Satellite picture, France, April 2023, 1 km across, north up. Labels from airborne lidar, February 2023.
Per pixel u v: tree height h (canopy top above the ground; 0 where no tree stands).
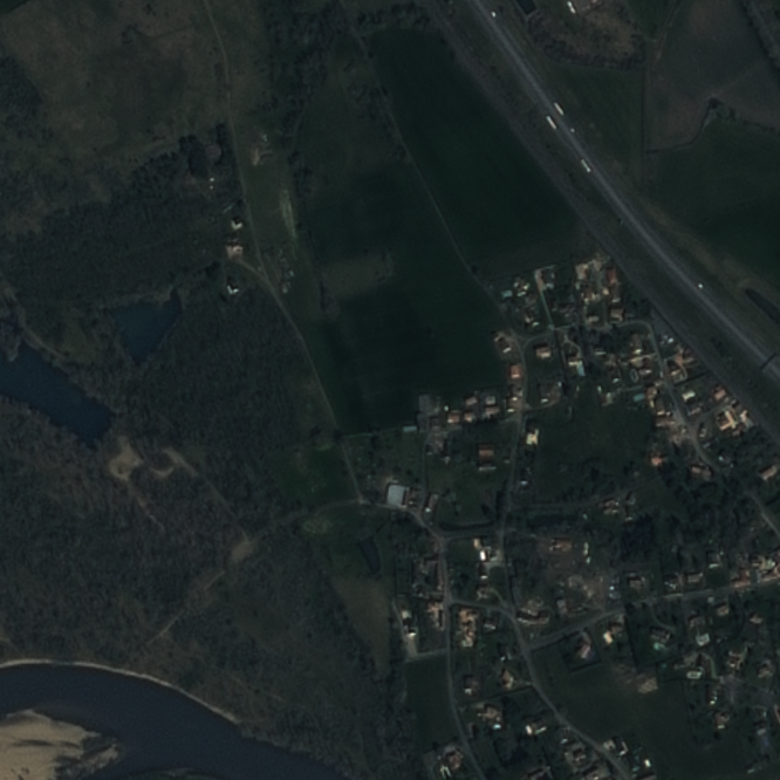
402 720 18
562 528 9
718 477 7
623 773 0
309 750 16
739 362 0
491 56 0
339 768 20
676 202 0
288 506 15
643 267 0
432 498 0
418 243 0
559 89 0
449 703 0
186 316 13
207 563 13
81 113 0
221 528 18
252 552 0
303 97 14
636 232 0
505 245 0
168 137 0
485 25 0
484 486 0
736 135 0
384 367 0
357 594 0
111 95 0
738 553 14
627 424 0
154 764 0
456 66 13
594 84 0
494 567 0
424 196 0
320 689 0
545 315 0
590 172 0
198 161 15
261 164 0
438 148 0
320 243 0
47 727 0
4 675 0
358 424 0
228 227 0
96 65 0
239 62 0
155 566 20
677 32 0
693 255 0
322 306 7
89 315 13
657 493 0
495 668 10
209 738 0
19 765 0
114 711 0
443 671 0
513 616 0
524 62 0
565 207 0
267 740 14
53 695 0
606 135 0
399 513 8
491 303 0
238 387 19
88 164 0
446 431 0
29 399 0
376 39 0
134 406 17
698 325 0
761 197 0
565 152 0
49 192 10
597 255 0
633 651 7
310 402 0
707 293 0
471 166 0
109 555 7
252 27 0
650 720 0
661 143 0
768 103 0
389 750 19
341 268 0
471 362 0
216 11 0
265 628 0
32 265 11
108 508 14
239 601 0
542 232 0
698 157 0
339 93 0
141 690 0
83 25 0
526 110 0
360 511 0
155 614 14
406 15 17
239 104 0
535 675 0
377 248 0
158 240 19
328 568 0
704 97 0
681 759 0
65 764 7
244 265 0
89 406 0
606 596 0
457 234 0
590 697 0
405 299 0
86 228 18
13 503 6
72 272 14
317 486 0
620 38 0
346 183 0
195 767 0
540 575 13
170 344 14
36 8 0
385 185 0
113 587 9
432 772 0
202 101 0
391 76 0
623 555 10
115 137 0
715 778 0
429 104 0
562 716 11
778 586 0
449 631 0
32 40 0
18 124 7
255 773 0
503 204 0
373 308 0
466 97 0
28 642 9
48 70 0
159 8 0
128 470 0
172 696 0
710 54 0
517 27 0
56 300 9
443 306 0
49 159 0
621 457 0
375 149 0
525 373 0
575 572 0
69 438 19
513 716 14
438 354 0
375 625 0
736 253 0
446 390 0
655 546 18
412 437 0
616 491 13
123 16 0
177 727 0
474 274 12
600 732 0
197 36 0
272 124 0
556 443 0
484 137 0
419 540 13
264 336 14
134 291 7
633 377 0
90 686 0
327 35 19
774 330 0
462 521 0
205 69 0
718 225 0
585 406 0
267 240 0
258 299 10
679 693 0
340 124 0
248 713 0
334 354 0
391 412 0
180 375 12
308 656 0
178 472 10
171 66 0
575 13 0
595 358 9
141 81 0
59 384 0
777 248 0
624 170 0
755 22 21
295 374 0
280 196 0
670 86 0
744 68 0
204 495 17
